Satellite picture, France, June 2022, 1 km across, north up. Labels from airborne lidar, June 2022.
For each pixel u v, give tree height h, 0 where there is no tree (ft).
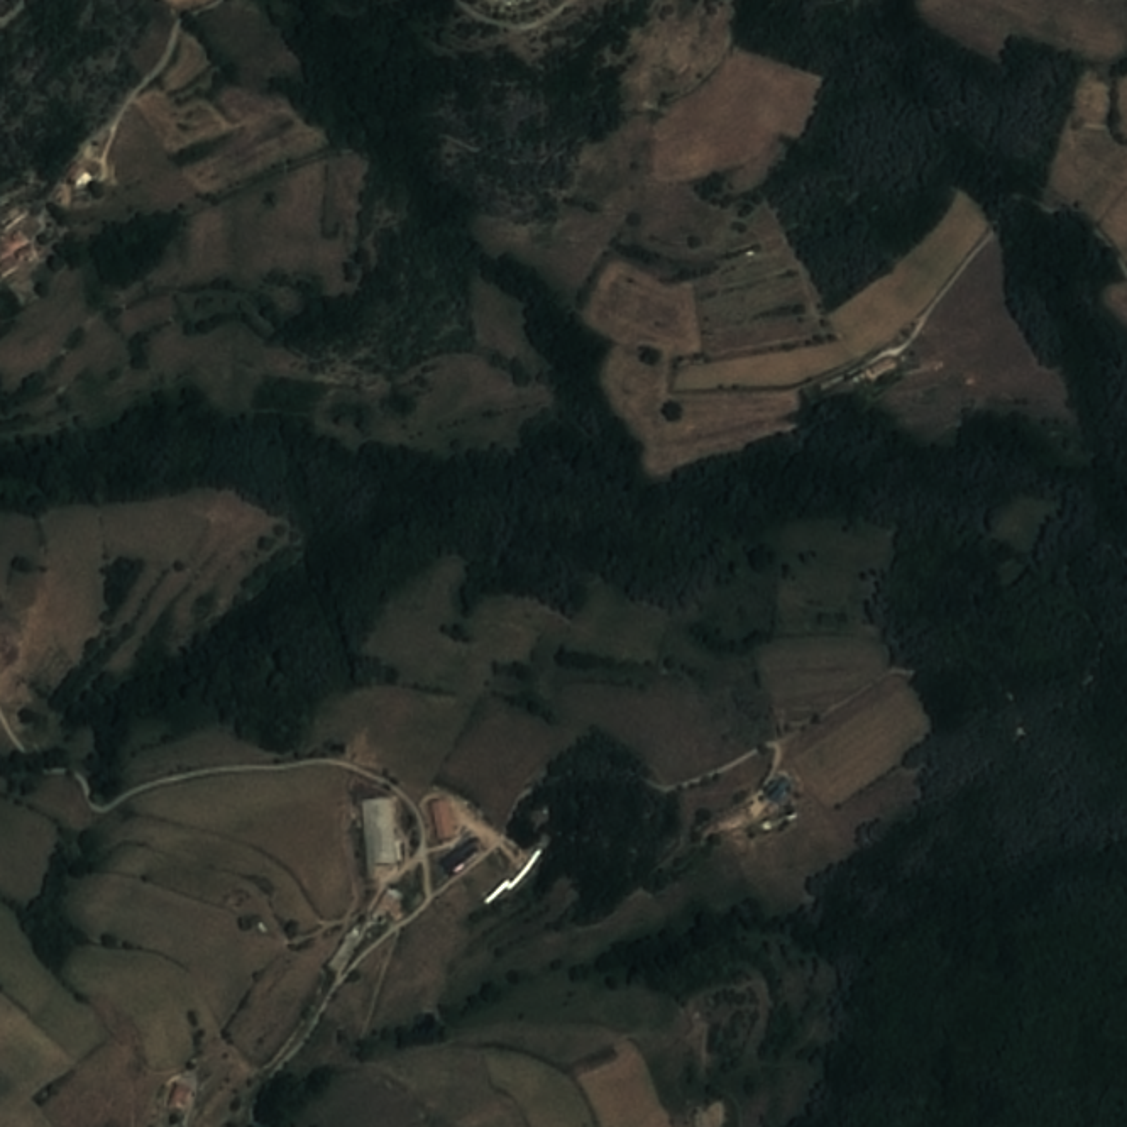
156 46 0
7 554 0
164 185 0
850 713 0
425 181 36
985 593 33
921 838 52
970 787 35
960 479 39
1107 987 37
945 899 57
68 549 0
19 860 0
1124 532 33
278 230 0
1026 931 52
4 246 0
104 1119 0
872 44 41
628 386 0
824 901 47
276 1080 30
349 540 62
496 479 52
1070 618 33
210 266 0
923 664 39
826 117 36
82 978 0
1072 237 38
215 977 0
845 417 40
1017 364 0
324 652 56
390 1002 0
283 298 0
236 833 0
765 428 0
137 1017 0
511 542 62
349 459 59
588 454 48
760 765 0
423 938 0
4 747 0
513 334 0
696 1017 0
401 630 0
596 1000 0
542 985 0
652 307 0
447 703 0
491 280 44
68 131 22
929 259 0
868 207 39
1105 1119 38
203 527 0
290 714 59
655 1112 0
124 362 0
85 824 0
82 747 0
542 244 0
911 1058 36
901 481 55
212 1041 0
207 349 0
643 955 67
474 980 0
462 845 0
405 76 38
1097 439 33
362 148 37
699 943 75
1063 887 81
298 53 40
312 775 0
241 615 42
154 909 0
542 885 37
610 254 29
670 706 0
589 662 58
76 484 33
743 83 0
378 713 0
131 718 60
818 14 28
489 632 0
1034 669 30
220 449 64
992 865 45
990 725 38
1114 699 38
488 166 24
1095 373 38
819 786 0
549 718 24
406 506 60
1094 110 0
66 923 57
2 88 32
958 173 48
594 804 42
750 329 0
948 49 45
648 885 34
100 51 20
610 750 26
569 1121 0
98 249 33
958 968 31
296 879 0
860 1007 54
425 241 36
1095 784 38
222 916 0
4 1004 0
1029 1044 34
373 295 36
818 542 0
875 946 61
